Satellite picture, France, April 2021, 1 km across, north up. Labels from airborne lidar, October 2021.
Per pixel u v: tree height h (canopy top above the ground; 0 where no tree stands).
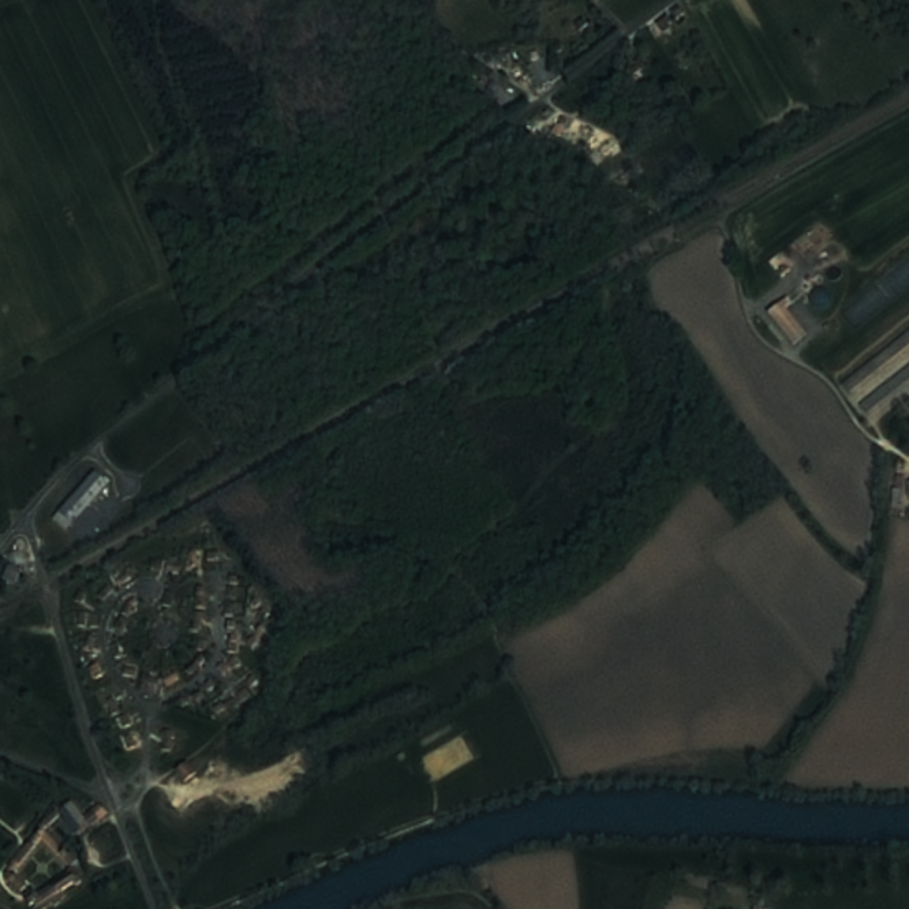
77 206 0
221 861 0
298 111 21
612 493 6
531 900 0
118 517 0
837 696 9
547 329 22
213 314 16
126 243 0
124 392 0
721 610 0
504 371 26
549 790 13
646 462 27
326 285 16
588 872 0
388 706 15
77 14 0
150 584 0
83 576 9
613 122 22
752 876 17
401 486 17
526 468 6
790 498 20
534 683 0
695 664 0
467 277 18
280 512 24
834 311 0
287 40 12
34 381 0
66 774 0
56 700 0
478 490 16
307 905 0
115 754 16
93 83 0
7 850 9
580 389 26
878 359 0
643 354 13
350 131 20
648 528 25
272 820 17
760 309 0
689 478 24
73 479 0
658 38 0
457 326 22
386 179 16
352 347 21
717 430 28
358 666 12
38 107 0
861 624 14
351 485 15
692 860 0
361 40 19
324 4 20
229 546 19
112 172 0
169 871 0
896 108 0
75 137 0
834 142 0
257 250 17
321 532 12
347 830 0
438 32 14
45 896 0
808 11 0
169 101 9
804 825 0
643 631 0
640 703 0
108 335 0
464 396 26
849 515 0
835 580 0
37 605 0
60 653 0
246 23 19
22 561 0
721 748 0
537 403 6
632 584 0
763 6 0
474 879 20
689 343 16
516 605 28
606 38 11
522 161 25
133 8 9
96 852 0
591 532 28
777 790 7
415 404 17
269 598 17
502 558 12
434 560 13
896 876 26
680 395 24
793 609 0
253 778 0
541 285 18
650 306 24
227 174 9
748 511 17
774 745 0
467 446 14
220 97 10
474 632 26
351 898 0
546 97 0
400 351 18
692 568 0
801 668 0
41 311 0
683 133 15
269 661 28
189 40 12
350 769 20
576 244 18
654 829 0
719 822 0
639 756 0
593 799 0
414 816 0
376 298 24
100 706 0
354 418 16
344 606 29
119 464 0
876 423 0
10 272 0
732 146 0
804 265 0
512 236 21
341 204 19
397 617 12
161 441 0
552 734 0
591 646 0
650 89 17
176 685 0
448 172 15
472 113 23
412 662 23
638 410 8
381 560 28
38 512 0
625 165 0
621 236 22
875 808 0
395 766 0
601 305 24
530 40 15
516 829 0
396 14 23
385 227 20
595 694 0
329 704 19
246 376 23
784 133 13
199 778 0
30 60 0
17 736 0
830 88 0
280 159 18
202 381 28
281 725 15
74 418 0
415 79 21
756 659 0
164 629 0
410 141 23
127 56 10
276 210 23
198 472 11
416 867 0
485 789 0
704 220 18
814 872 0
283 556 26
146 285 0
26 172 0
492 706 0
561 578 30
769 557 0
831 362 0
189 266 22
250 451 20
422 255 19
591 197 21
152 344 0
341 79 21
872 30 8
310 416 17
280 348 26
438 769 0
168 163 20
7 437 0
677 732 0
